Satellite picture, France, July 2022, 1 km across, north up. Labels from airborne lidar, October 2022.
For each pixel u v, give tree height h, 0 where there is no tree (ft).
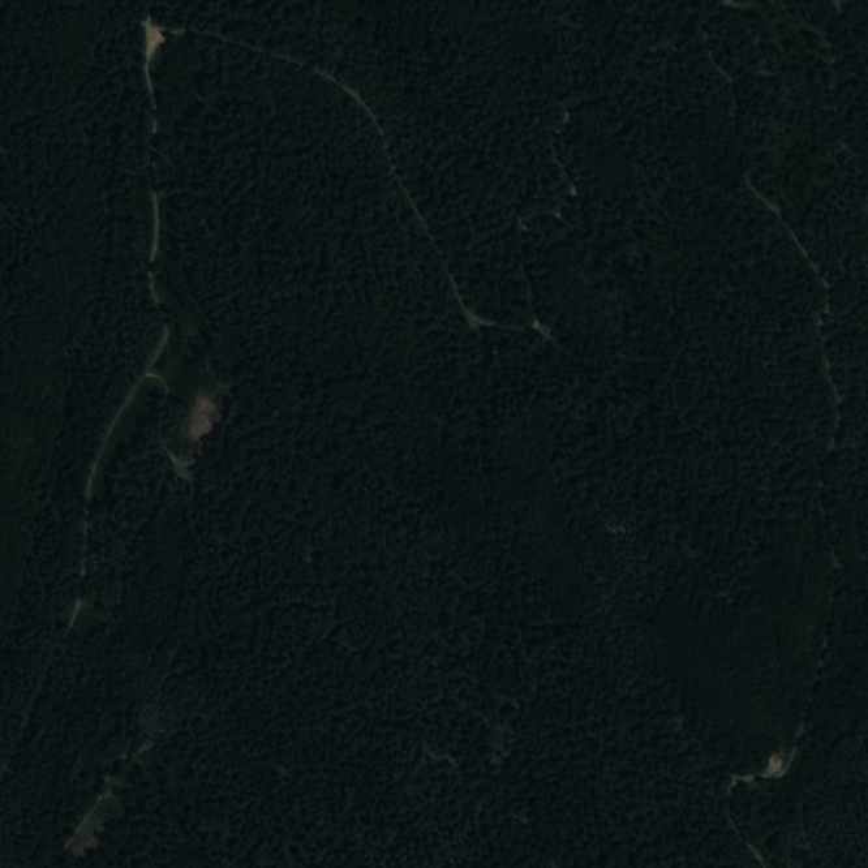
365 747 42
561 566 31
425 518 114
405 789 62
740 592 53
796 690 43
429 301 84
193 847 37
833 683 81
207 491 55
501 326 60
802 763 54
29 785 80
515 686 83
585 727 33
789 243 56
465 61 78
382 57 58
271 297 85
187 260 71
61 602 115
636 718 56
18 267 72
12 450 41
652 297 31
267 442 78
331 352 31
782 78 45
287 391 99
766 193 34
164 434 105
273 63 53
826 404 55
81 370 51
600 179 57
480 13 45
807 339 88
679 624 52
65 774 62
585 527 59
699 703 66
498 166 128
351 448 70
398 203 50
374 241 79
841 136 66
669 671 67
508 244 82
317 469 30
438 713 80
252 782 52
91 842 0
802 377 75
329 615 82
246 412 22
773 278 54
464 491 71
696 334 51
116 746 106
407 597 105
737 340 78
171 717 81
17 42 56
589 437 74
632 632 82
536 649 113
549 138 87
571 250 77
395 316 21
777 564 64
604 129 63
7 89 86
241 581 54
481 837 51
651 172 108
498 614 60
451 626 98
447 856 94
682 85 105
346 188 62
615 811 28
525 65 81
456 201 110
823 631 39
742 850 104
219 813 71
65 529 115
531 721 59
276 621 85
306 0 29
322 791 55
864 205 42
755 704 28
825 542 56
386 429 81
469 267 19
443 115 87
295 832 31
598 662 102
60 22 52
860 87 88
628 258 76
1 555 51
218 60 72
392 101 36
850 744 83
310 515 82
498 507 85
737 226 46
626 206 80
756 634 53
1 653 70
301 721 64
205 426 0
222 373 96
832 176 59
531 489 39
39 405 52
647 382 50
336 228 71
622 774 29
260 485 90
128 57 78
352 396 38
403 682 95
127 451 76
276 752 66
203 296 101
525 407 84
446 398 75
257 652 68
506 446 67
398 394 58
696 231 27
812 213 77
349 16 21
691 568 61
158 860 69
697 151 18
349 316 52
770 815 106
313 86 49
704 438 121
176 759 71
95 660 69
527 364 45
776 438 118
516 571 94
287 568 76
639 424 57
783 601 76
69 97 52
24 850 73
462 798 55
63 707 69
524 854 51
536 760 51
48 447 77
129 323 84
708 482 73
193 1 73
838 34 65
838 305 51
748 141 61
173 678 59
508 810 42
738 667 52
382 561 87
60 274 19
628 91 62
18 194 81
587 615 59
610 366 84
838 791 92
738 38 50
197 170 47
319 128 66
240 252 86
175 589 57
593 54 75
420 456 87
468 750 78
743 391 83
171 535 44
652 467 86
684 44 62
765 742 27
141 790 84
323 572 85
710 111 71
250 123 78
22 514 63
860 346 85
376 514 26
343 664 54
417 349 72
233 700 38
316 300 59
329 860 53
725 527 91
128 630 74
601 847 67
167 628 53
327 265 84
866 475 102
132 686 84
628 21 71
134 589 65
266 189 51
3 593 63
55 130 98
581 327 57
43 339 38
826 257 66
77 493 87
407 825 44
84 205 45
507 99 87
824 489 30
